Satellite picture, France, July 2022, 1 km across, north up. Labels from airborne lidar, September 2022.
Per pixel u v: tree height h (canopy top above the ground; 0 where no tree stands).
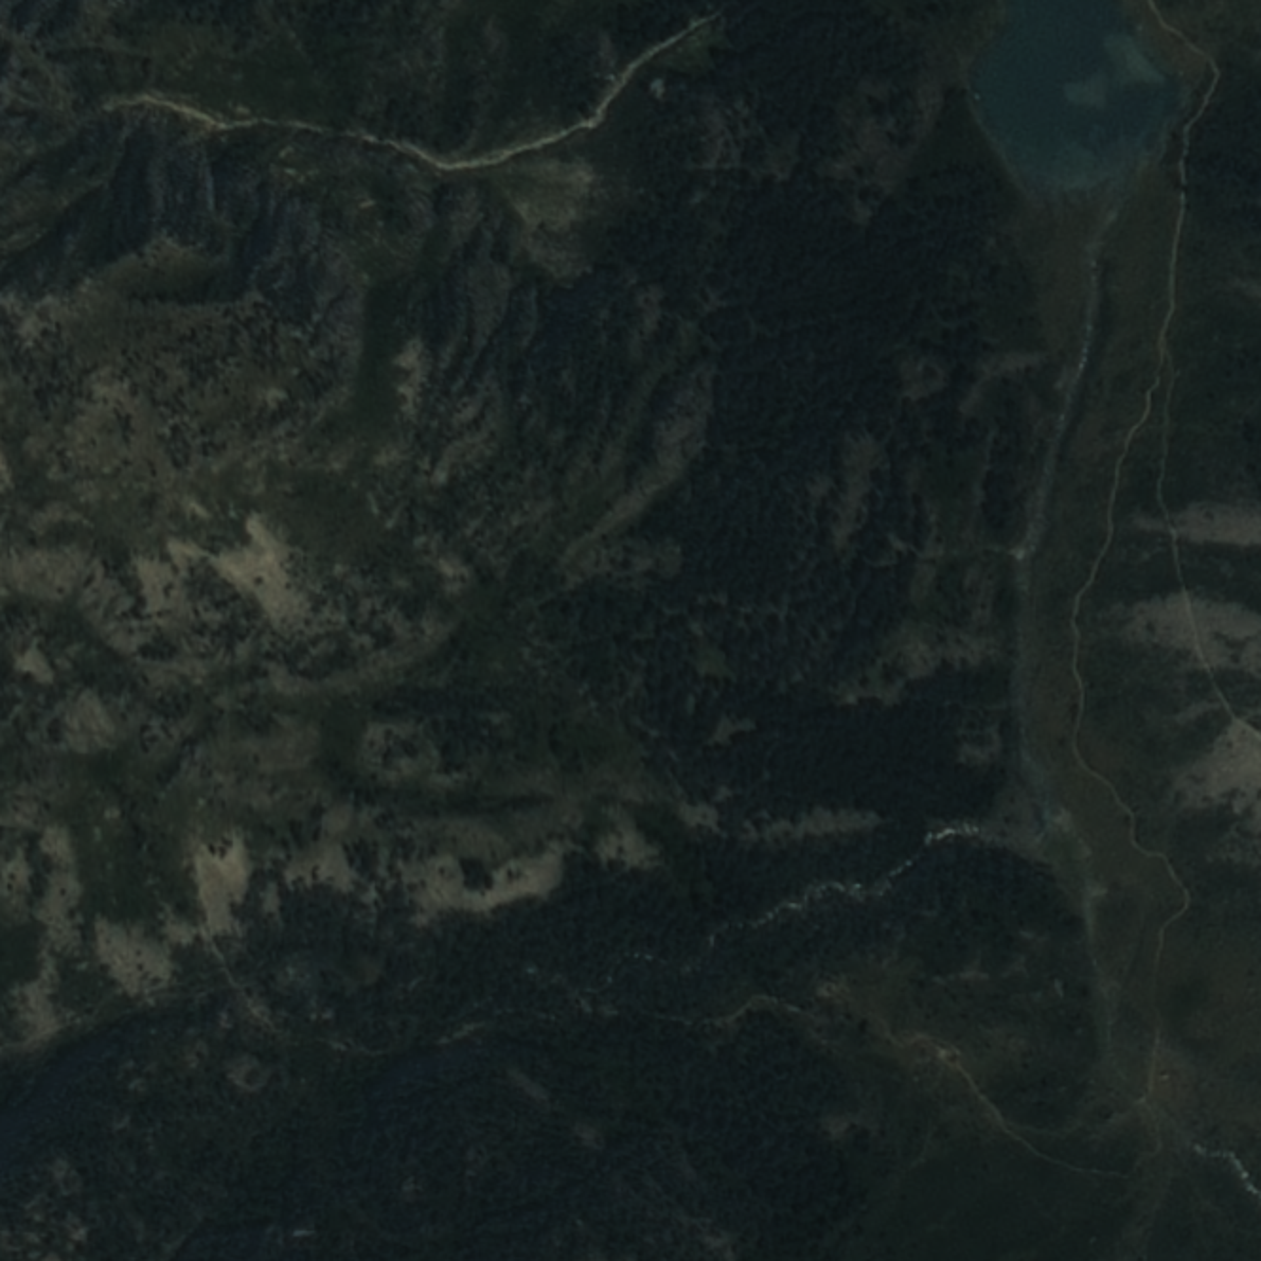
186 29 0
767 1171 27
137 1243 8
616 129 0
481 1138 9
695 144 11
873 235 24
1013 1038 0
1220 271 0
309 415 8
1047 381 0
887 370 13
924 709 21
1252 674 0
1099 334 0
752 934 10
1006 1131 0
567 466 8
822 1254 13
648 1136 16
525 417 7
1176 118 0
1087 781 0
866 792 24
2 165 0
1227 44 0
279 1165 7
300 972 0
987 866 11
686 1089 21
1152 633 0
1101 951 0
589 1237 10
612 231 10
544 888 0
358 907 6
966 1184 0
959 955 0
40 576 0
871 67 24
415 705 8
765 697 23
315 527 0
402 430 0
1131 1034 0
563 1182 8
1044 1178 0
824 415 16
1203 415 0
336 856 0
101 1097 8
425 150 0
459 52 0
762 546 19
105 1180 12
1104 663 0
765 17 24
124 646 0
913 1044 0
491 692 7
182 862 0
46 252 0
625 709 8
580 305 10
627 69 0
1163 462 0
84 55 8
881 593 25
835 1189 17
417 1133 9
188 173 8
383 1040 7
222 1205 6
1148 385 0
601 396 7
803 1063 9
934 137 0
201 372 8
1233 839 0
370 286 0
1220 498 0
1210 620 0
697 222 9
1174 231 0
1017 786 0
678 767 19
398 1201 7
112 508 0
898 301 19
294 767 0
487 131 0
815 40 23
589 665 10
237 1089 9
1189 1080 0
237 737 0
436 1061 7
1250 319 0
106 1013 0
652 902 17
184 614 0
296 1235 7
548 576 14
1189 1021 0
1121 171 0
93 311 0
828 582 22
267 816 0
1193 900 0
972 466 0
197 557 0
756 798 16
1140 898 0
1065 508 0
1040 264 0
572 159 0
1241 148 8
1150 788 0
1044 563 0
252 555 0
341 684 0
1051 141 0
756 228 27
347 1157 8
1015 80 0
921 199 18
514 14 0
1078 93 0
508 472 8
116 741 0
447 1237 0
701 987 8
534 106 0
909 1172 0
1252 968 0
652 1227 7
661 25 10
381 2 10
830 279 22
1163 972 0
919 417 13
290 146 0
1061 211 0
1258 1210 0
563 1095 6
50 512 0
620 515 0
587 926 22
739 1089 11
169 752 0
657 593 11
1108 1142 0
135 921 0
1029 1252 0
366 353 0
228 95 0
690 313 18
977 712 7
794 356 28
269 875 6
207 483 0
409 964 10
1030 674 0
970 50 0
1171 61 0
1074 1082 0
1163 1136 0
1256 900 0
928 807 19
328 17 7
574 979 10
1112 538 0
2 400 0
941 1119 0
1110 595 0
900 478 26
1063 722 0
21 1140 8
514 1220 13
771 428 21
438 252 0
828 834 9
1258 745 0
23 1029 0
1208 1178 0
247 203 9
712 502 15
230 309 7
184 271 0
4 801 0
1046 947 0
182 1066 0
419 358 0
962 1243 0
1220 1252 0
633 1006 15
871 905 9
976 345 19
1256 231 7
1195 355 0
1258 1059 0
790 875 22
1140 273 0
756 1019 15
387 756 9
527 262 0
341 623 0
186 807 0
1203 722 0
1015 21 0
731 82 15
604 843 0
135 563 0
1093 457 0
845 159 0
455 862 0
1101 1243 0
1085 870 0
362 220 0
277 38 0
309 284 10
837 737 26
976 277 11
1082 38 0
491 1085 9
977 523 0
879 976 0
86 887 0
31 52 0
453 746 10
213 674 0
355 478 0
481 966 14
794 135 0
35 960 0
